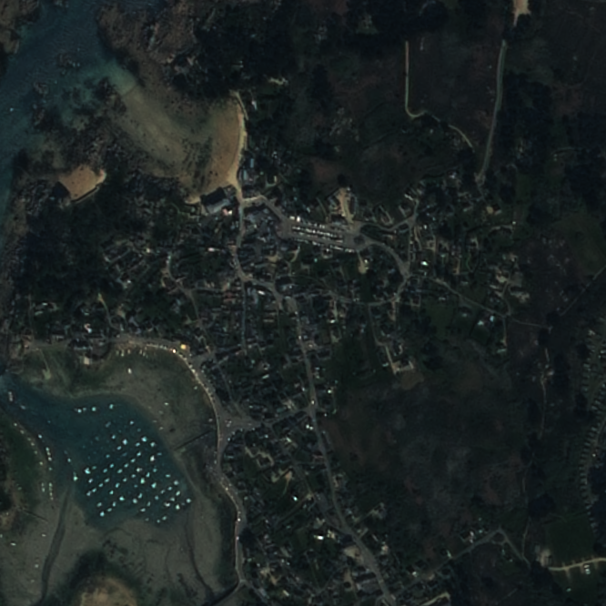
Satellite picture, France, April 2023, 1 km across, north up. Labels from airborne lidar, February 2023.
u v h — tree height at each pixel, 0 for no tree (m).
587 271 0
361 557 0
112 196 9
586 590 0
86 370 0
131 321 0
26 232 0
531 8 14
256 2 0
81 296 14
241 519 0
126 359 0
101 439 0
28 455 0
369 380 0
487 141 0
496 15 0
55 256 12
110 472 0
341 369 0
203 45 12
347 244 0
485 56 0
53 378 0
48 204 8
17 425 0
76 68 0
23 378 0
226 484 0
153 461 0
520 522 0
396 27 15
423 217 11
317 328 0
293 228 0
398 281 15
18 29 0
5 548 0
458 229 8
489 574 0
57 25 0
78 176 0
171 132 0
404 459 0
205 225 0
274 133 7
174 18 0
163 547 0
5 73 0
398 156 0
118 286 8
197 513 0
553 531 0
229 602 0
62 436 0
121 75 0
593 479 17
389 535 7
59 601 0
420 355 7
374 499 0
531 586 6
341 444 0
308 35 7
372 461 0
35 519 0
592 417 14
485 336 0
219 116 0
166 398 0
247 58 11
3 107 0
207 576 0
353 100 0
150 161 0
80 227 12
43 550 0
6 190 0
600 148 7
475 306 0
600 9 0
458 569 8
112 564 0
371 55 14
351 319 9
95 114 0
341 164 0
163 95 0
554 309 0
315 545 7
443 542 8
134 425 0
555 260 0
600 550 12
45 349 0
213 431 0
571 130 10
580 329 6
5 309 0
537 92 22
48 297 16
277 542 0
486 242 7
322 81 20
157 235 8
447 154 0
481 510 19
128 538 0
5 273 0
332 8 0
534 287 0
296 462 0
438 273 13
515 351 0
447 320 0
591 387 0
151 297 11
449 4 0
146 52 0
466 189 16
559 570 0
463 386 0
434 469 0
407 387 0
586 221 0
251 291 0
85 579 0
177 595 0
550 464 8
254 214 0
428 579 0
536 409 19
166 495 0
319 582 0
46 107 0
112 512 0
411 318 10
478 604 0
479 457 0
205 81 6
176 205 0
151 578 0
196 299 0
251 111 7
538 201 9
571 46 0
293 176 7
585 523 0
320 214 0
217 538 0
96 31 0
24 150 0
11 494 0
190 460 0
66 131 0
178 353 0
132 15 0
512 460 0
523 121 24
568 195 12
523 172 18
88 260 6
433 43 0
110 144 0
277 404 6
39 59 0
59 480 0
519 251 5
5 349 0
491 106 0
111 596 0
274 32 10
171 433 0
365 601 0
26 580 0
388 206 0
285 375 0
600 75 0
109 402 0
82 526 0
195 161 0
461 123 0
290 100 8
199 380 0
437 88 0
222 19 7
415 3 21
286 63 12
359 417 0
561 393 9
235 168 0
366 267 0
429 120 11
